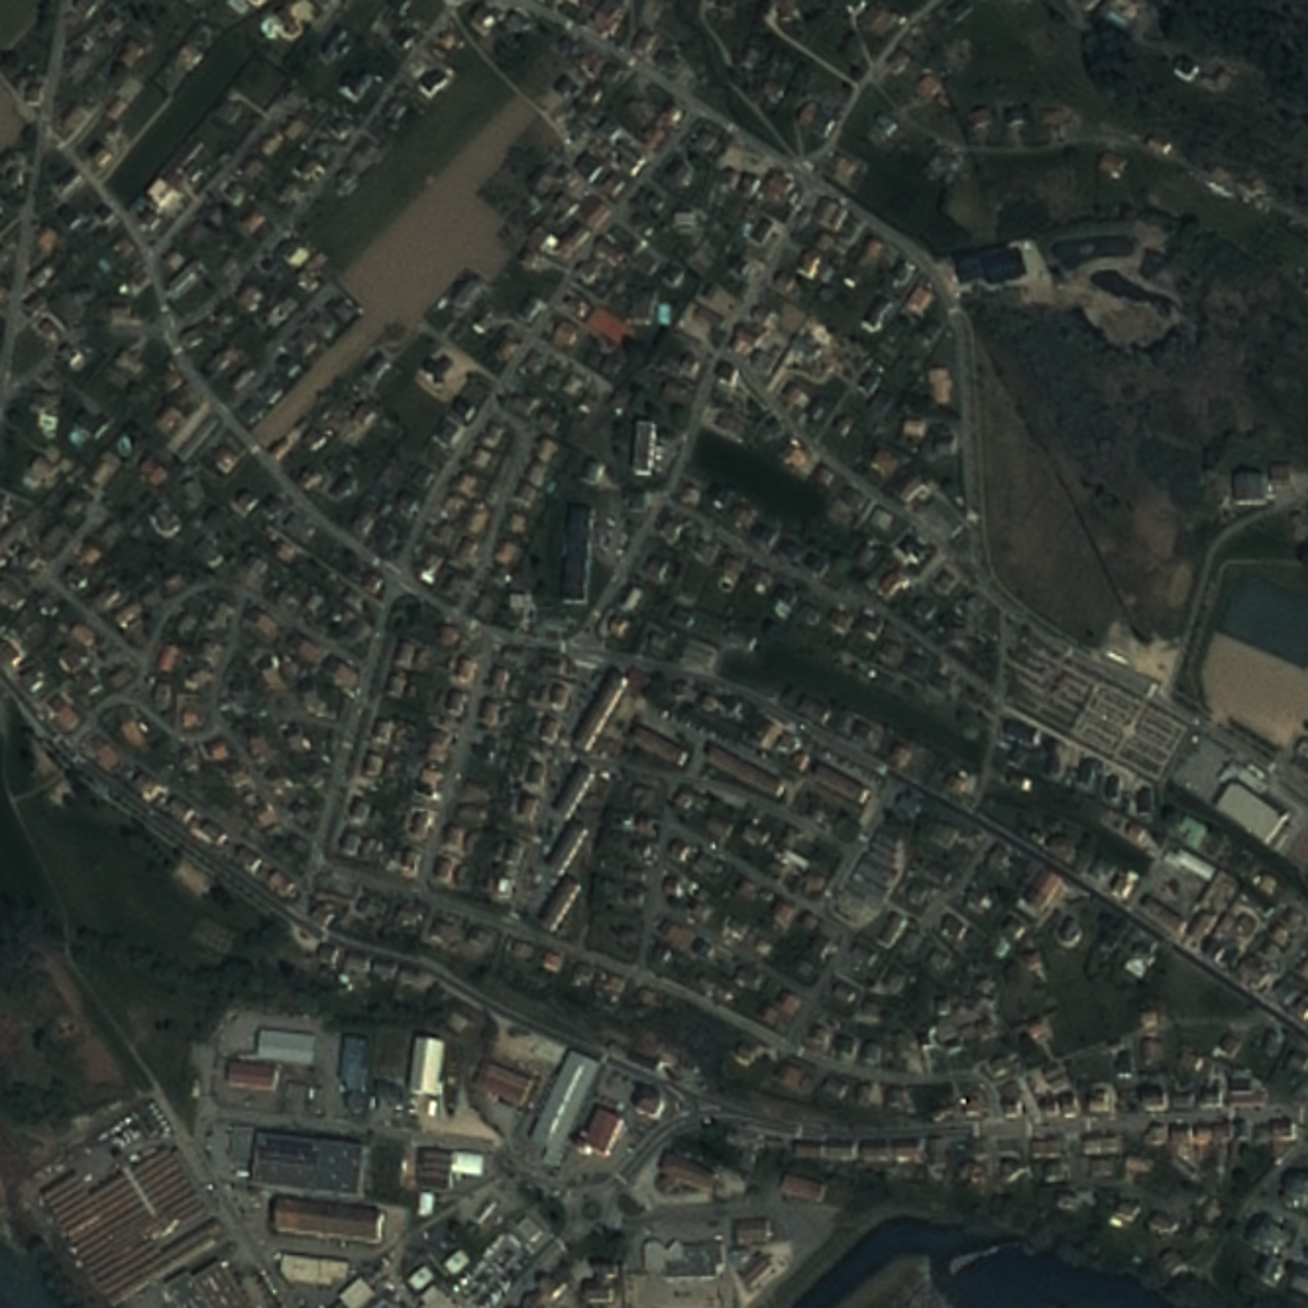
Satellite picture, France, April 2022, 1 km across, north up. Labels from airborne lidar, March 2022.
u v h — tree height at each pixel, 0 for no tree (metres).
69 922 0
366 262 0
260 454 0
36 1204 0
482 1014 0
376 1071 0
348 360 0
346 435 0
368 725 0
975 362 0
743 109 0
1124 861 0
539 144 0
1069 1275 0
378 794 0
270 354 0
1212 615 0
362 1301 0
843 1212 0
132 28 7
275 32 0
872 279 0
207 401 0
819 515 0
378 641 0
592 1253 0
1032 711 0
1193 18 12
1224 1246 0
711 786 0
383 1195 0
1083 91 0
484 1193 0
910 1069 0
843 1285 0
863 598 0
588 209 0
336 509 0
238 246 0
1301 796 0
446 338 0
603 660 0
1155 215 9
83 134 0
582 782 0
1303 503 0
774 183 0
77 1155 0
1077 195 0
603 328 0
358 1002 0
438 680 0
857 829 0
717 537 0
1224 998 0
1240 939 0
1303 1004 0
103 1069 0
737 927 0
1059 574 0
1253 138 10
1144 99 15
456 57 0
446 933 0
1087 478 0
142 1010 0
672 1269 0
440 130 0
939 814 0
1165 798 0
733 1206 0
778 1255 0
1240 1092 0
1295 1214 0
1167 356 12
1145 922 0
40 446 0
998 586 0
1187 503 6
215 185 0
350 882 0
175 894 0
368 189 0
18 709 0
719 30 0
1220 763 0
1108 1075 0
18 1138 0
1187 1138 0
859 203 0
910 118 0
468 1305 0
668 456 0
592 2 0
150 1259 0
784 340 0
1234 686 0
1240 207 0
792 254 0
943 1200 0
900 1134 0
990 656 6
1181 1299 20
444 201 0
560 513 0
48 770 0
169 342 0
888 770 0
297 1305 0
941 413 6
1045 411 0
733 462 0
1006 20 0
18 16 0
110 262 0
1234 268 9
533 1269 0
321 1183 0
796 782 0
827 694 0
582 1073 0
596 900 9
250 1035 0
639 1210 0
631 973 0
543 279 0
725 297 0
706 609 0
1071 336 14
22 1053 0
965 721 12
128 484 0
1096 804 0
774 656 0
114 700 0
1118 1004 0
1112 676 0
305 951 0
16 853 0
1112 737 0
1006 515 0
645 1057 0
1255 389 0
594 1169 0
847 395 0
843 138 0
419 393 0
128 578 6
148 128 0
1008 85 0
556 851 0
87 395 0
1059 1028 0
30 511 0
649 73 0
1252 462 0
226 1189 0
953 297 0
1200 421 0
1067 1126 0
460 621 0
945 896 0
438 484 0
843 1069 0
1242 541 0
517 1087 0
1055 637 0
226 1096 0
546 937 0
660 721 0
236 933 0
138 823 9
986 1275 0
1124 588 0
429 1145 0
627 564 0
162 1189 0
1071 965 0
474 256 0
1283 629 0
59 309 0
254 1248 0
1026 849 0
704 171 7
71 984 0
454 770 0
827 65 0
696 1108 0
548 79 0
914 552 0
